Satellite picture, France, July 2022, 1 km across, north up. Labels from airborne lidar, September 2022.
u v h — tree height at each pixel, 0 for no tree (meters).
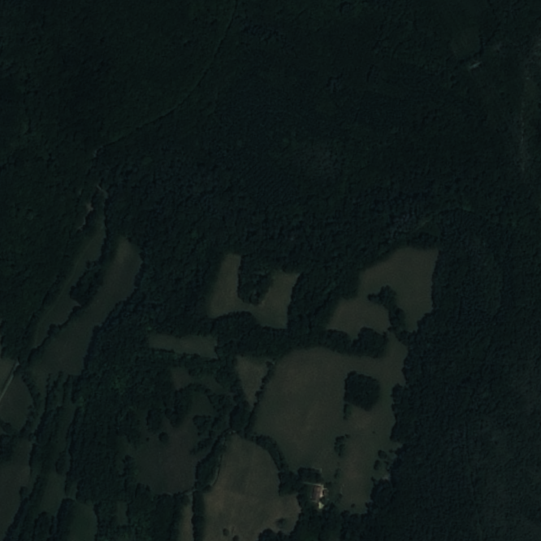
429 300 0
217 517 0
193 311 24
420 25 23
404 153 22
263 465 0
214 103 15
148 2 25
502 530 10
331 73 13
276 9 14
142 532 15
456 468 13
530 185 17
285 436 0
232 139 16
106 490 21
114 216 24
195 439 0
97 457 24
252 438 8
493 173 24
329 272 19
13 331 17
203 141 22
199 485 14
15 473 0
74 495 0
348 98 14
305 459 0
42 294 10
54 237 18
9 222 20
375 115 15
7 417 0
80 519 0
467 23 7
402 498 23
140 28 25
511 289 14
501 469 5
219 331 21
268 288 15
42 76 12
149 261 23
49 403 14
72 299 7
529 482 7
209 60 19
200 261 25
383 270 0
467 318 18
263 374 0
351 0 16
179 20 25
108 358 22
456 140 19
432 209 23
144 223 26
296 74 16
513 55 10
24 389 0
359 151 16
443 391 17
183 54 23
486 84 15
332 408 0
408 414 19
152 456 0
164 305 21
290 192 13
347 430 0
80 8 26
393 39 24
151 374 22
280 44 16
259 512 0
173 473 0
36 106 17
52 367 0
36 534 11
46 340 10
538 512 10
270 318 0
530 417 7
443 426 14
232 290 0
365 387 18
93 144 25
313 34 21
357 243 22
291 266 27
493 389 15
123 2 23
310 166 10
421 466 14
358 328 0
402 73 13
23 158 12
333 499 0
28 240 19
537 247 16
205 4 19
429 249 11
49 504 0
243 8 18
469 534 7
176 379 0
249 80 14
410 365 23
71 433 6
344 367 0
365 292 0
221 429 8
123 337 17
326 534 10
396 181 28
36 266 24
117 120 19
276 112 9
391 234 25
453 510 12
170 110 14
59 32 23
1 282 23
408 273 0
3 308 20
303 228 21
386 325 0
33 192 19
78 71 27
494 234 19
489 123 21
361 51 16
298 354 0
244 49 14
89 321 0
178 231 27
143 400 15
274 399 0
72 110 22
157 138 22
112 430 14
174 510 17
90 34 24
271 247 22
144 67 20
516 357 10
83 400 14
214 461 17
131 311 17
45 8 18
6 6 18
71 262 18
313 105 16
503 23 14
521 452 10
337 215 21
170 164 17
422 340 20
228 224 33
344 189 13
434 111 12
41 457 11
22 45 18
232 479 0
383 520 26
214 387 0
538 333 16
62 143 23
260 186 11
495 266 7
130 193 20
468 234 11
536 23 14
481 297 17
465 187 22
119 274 0
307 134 12
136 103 12
